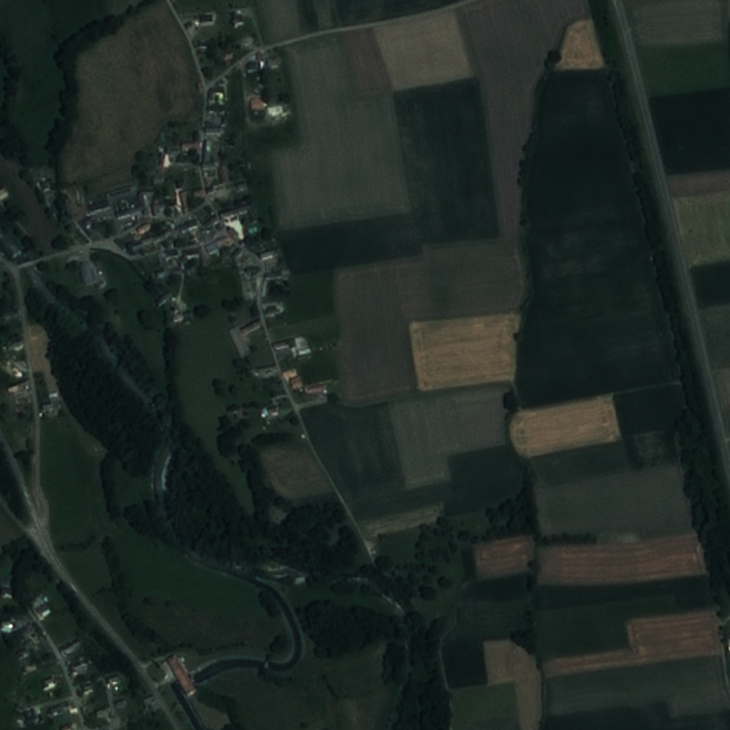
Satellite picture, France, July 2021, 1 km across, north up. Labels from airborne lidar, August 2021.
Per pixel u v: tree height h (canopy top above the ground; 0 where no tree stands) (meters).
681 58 0
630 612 0
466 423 0
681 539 0
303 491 0
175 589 0
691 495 17
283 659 0
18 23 0
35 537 0
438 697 24
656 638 0
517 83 0
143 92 0
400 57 0
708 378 0
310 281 0
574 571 0
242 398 0
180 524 30
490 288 0
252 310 9
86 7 0
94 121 0
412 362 0
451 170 0
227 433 12
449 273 0
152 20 0
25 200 0
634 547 0
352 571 7
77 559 0
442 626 17
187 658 0
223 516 22
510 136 0
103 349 0
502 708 0
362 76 0
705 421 14
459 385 0
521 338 9
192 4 0
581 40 0
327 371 0
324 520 23
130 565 0
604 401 0
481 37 0
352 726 0
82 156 0
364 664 0
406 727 16
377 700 0
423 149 0
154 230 9
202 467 27
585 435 0
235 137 7
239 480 0
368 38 0
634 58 0
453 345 0
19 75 22
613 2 0
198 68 0
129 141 0
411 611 9
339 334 0
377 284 0
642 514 0
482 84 0
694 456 8
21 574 23
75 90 16
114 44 0
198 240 0
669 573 0
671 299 12
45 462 0
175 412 22
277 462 0
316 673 0
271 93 8
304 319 0
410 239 0
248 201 16
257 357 0
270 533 24
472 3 0
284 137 0
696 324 0
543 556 0
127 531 0
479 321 0
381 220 0
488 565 0
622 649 0
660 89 0
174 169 0
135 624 22
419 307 0
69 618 0
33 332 0
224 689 0
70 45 21
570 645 0
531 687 0
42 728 0
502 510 12
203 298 0
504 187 0
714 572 21
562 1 0
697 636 0
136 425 24
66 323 30
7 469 23
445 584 17
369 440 0
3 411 10
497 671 0
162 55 0
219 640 0
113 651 8
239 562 20
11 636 14
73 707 0
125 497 0
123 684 6
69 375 15
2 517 0
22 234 12
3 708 0
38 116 0
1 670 0
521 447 0
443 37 0
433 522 0
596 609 0
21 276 0
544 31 0
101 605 0
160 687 6
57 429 0
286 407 6
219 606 0
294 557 21
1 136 38
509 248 0
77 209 0
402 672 27
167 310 10
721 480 12
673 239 0
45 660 9
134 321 0
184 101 0
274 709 0
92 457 0
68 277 0
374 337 0
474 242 0
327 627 29
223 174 0
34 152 0
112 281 0
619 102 12
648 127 0
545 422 0
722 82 0
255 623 0
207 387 0
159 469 0
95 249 0
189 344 0
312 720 0
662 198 0
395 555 0
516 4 0
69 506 0
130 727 10
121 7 0
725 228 0
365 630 22
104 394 20
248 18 0
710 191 0
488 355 0
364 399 0
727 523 18
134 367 33
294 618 0
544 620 0
